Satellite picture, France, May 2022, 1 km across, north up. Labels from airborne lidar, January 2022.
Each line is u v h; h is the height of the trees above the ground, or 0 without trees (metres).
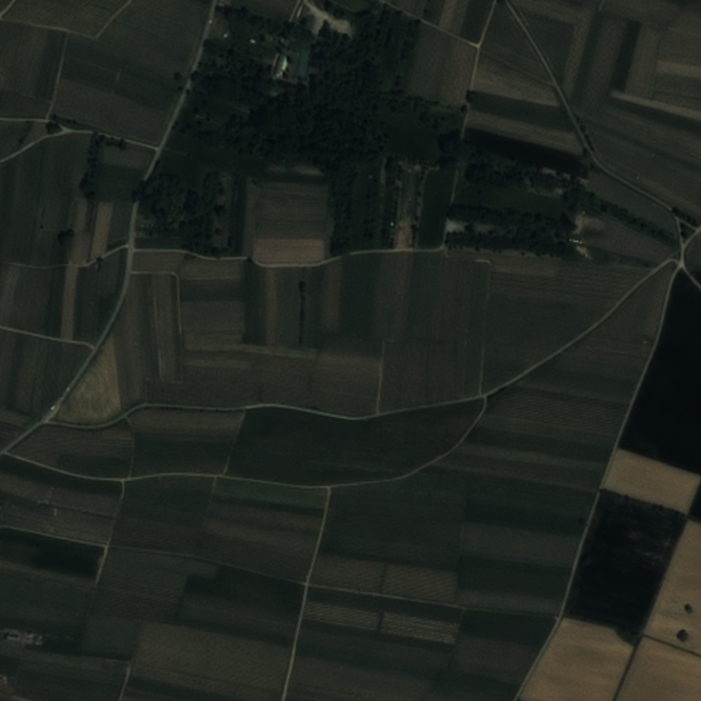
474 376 0
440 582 0
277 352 0
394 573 0
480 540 0
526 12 0
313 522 0
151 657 0
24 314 0
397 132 0
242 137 8
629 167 0
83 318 0
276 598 0
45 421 0
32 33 0
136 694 0
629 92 0
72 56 0
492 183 16
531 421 0
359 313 0
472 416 0
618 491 0
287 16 0
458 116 0
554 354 0
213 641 0
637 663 0
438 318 0
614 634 0
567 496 0
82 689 0
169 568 0
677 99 0
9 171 0
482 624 0
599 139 0
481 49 0
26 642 0
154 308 0
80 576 0
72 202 0
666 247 0
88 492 0
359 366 0
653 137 0
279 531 0
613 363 0
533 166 9
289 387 0
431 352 0
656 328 0
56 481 0
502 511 0
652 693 0
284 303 0
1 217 0
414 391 0
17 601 0
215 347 0
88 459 0
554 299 0
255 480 0
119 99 0
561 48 0
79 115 0
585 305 0
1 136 0
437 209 0
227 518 0
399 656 0
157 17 0
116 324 0
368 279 0
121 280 0
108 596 0
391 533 0
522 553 0
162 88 0
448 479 0
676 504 0
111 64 0
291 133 27
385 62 0
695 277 0
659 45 0
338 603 0
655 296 0
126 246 0
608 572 0
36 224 0
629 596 0
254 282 0
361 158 11
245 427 0
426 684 0
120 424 0
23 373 0
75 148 0
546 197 0
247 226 0
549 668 0
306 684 0
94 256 0
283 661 0
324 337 0
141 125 0
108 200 0
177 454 0
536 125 0
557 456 0
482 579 0
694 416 0
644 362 0
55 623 0
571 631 0
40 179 0
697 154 0
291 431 0
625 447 0
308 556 0
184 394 0
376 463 0
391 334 0
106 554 0
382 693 0
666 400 0
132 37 0
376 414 0
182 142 0
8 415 0
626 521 0
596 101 0
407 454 0
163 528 0
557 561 0
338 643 0
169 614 0
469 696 0
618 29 0
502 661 0
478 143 0
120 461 0
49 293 0
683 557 0
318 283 0
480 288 0
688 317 0
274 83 15
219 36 0
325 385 0
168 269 0
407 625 0
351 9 0
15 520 0
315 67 18
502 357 0
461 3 0
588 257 0
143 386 0
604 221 0
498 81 0
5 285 0
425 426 0
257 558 0
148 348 0
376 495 0
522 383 0
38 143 0
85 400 0
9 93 0
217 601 0
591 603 0
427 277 0
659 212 0
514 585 0
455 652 0
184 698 0
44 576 0
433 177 0
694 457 0
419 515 0
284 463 0
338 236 6
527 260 0
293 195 0
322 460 0
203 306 0
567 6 0
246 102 17
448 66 0
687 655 0
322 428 0
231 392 0
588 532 0
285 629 0
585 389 0
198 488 0
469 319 0
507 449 0
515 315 0
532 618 0
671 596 0
